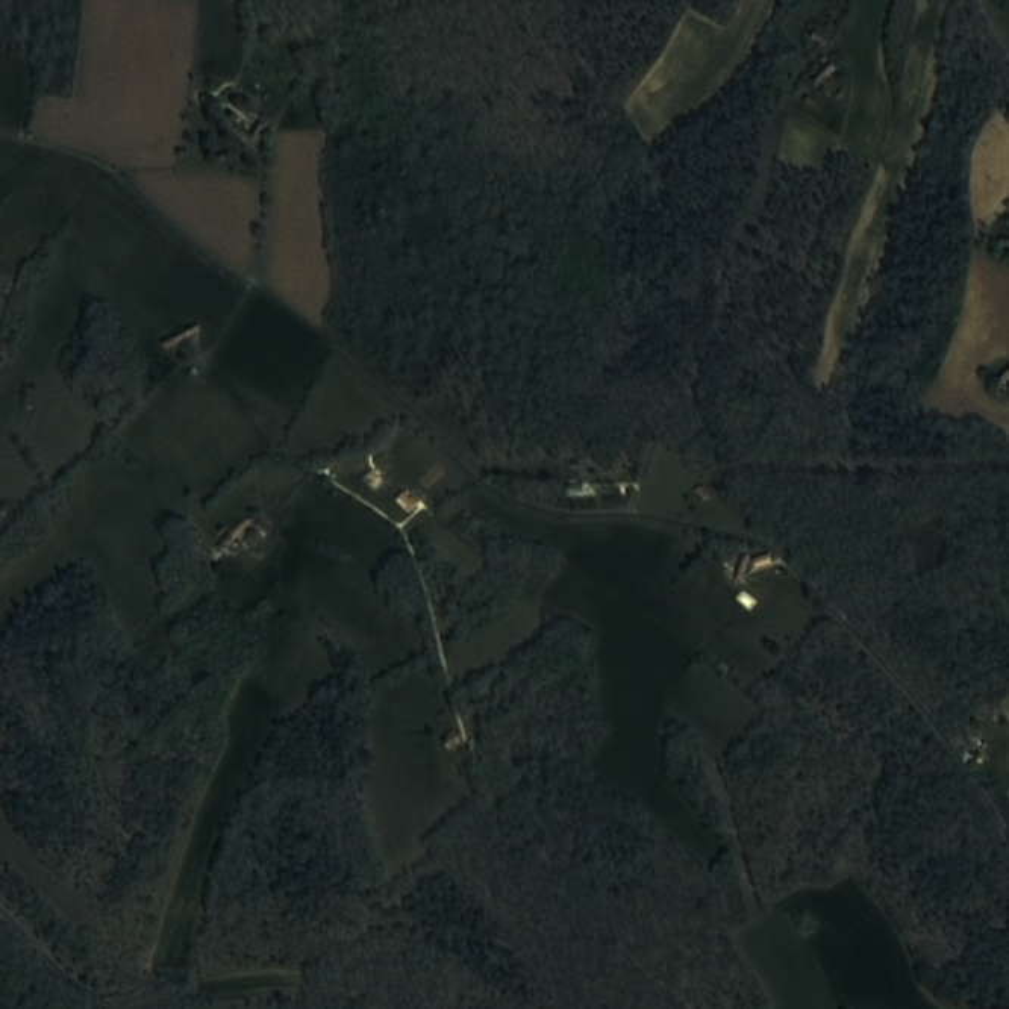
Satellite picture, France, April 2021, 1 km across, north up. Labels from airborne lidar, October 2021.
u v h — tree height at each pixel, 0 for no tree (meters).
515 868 20
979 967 16
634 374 14
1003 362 0
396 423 11
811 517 22
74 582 17
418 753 0
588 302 20
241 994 0
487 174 19
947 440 16
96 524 0
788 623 0
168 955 0
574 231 16
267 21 13
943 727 14
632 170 20
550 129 14
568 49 8
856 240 0
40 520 18
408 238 7
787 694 18
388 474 0
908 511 16
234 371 0
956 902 11
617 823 17
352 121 21
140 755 16
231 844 12
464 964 11
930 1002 0
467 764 11
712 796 17
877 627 15
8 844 0
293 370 0
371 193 10
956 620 16
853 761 20
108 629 16
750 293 13
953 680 18
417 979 20
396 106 22
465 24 11
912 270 18
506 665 7
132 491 0
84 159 0
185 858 0
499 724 14
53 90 14
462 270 14
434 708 0
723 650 0
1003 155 0
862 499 16
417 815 0
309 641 0
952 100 8
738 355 20
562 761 21
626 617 0
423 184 17
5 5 27
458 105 16
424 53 16
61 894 0
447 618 16
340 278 12
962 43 9
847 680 16
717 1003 10
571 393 19
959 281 8
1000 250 14
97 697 13
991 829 20
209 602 9
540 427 21
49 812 13
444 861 16
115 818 7
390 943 15
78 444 0
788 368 17
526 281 27
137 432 0
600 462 16
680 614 0
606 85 16
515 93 10
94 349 19
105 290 0
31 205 0
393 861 0
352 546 0
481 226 22
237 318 0
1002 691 20
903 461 17
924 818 13
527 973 12
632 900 20
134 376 18
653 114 0
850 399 20
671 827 0
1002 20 0
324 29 14
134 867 9
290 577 0
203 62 0
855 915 0
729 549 15
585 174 19
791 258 20
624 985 14
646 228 16
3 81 0
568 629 19
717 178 13
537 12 10
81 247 0
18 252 0
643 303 14
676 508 0
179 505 0
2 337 11
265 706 0
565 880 21
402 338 13
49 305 0
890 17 9
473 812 20
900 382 18
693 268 15
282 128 0
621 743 0
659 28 16
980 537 20
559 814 23
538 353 19
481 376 22
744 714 0
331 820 12
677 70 0
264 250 10
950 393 0
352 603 0
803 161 0
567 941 12
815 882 13
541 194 21
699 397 15
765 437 20
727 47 0
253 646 9
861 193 6
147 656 0
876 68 0
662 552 0
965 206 13
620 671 0
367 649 0
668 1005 12
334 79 17
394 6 17
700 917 11
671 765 6
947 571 19
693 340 20
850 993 0
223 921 8
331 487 9
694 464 19
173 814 11
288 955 6
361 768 13
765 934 0
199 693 27
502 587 19
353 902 11
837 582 19
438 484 0
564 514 15
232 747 0
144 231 0
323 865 12
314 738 9
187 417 0
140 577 0
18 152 0
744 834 12
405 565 20
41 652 19
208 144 19
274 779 11
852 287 0
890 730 7
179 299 0
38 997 23
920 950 10
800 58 7
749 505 20
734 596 0
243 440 0
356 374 0
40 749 11
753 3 0
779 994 0
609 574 0
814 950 0
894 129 0
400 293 12
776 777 15
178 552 20
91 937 11
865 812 10
